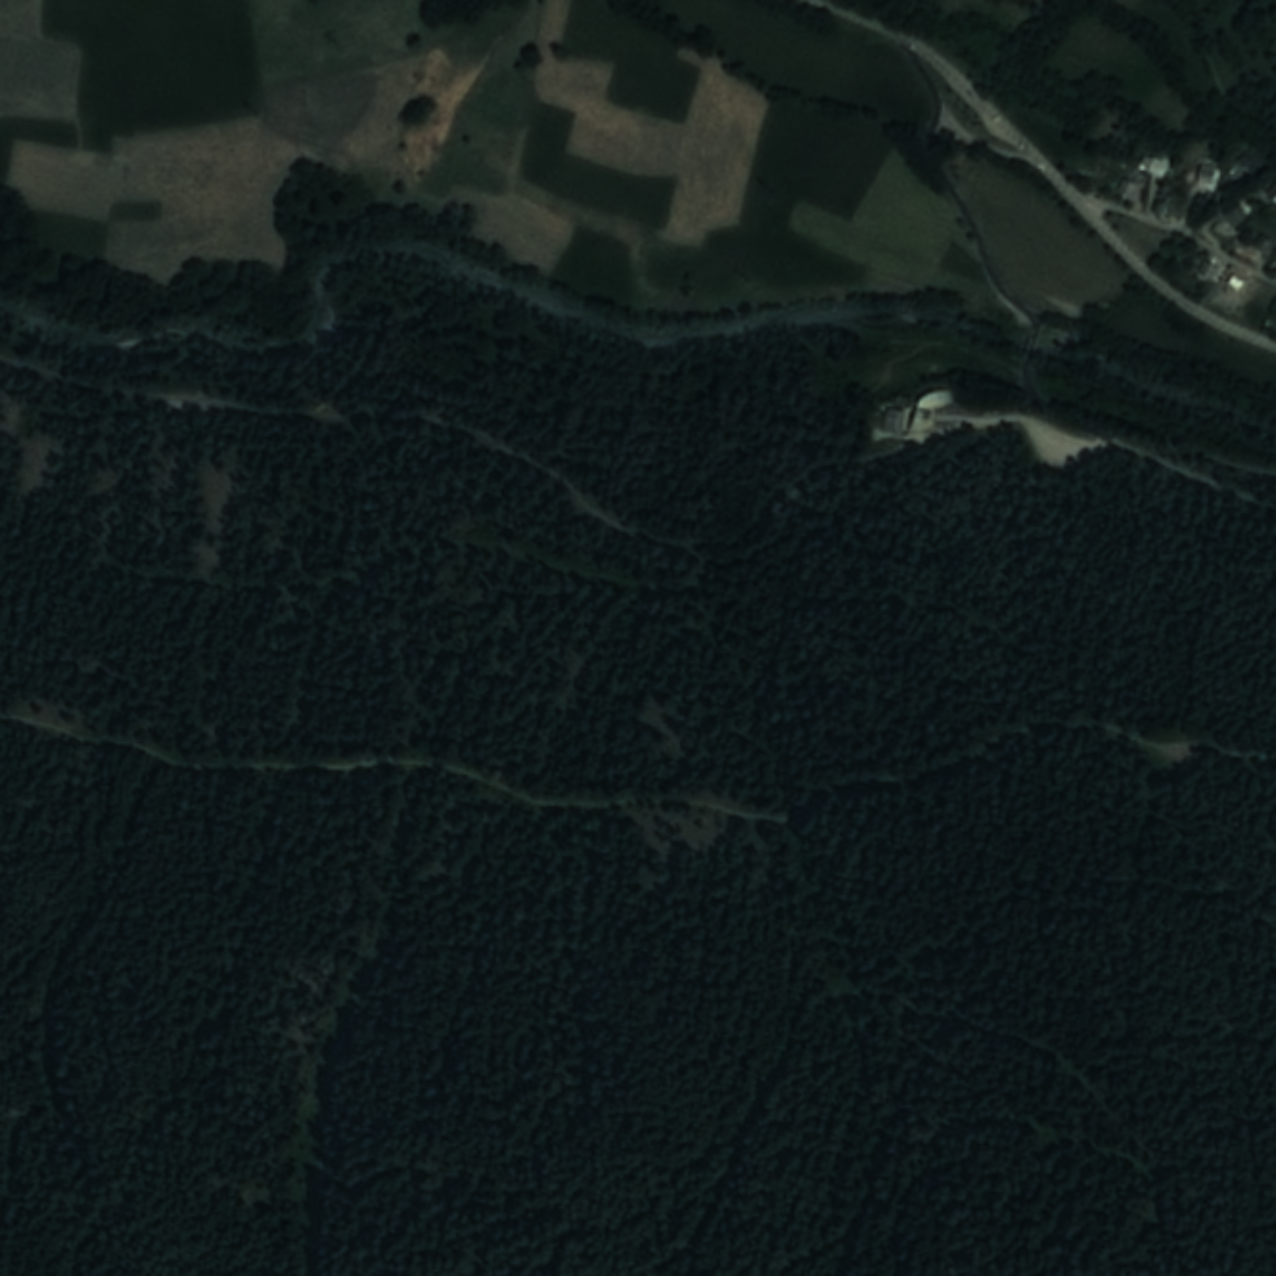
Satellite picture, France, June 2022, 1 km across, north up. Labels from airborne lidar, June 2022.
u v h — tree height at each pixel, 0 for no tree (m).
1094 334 15
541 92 0
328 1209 31
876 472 10
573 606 23
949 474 21
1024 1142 30
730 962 30
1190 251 9
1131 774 29
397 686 29
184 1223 17
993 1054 26
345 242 24
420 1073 31
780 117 0
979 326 18
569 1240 38
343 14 0
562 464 38
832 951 21
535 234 0
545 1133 31
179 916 31
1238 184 12
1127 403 10
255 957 23
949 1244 25
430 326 15
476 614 17
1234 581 26
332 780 18
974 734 24
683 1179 33
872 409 12
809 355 23
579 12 0
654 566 15
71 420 16
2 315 6
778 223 0
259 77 0
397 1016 31
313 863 24
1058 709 22
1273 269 12
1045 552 34
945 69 0
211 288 21
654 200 0
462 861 30
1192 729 14
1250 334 0
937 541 28
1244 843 30
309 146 0
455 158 0
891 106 0
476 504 29
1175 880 23
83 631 25
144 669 23
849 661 24
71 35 0
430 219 17
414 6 0
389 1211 23
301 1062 30
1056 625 26
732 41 0
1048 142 0
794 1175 35
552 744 9
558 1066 27
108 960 27
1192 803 25
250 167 0
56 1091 11
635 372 21
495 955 30
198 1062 12
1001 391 23
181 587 20
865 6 18
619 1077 25
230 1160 26
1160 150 6
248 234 0
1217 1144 30
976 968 21
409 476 15
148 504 25
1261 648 26
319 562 19
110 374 28
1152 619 32
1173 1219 34
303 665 25
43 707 24
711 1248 26
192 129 0
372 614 32
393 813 23
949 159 23
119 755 24
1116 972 26
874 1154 11
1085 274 0
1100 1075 37
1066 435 0
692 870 23
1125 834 32
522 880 30
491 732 27
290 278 14
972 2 0
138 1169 27
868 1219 30
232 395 26
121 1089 26
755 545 34
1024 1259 31
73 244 0
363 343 31
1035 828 18
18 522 16
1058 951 32
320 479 16
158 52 0
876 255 0
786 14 13
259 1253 15
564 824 8
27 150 0
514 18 0
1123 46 0
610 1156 22
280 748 21
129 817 10
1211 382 24
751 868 25
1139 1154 30
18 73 0
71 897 14
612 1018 28
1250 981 26
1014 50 12
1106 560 19
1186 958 30
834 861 19
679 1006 32
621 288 0
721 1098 25
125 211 0
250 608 19
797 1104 30
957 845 28
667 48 0
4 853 10
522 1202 25
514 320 19
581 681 10
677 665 27
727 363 25
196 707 7
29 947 16
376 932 13
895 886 31
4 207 28
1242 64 13
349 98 0
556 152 0
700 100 0
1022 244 0
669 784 15
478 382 23
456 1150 24
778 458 31
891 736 21
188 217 0
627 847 28
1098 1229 22
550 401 25
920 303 16
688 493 22
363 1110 26
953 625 29
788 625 13
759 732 13
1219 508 30
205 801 25
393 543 7
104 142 0
